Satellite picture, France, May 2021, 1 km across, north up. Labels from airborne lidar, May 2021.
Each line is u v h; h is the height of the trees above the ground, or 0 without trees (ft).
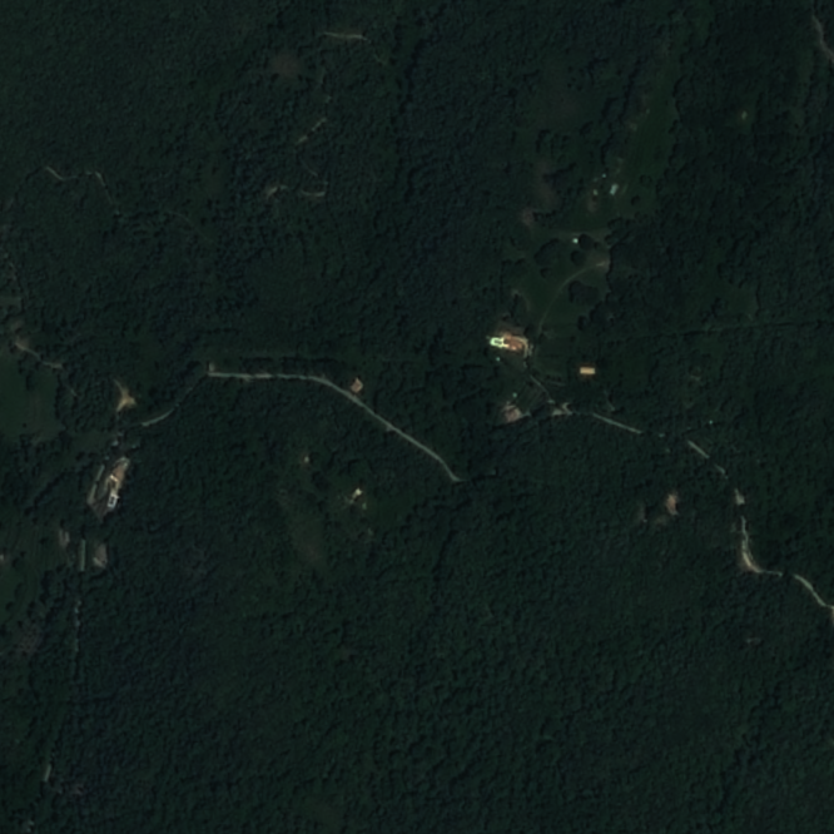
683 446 39
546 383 19
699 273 56
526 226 51
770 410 43
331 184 34
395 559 22
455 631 44
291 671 48
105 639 20
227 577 43
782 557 55
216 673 53
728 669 45
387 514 0
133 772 47
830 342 60
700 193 53
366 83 50
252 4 60
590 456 33
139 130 32
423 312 46
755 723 54
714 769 56
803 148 35
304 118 43
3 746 57
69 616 18
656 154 23
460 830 34
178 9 48
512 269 49
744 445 50
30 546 0
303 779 26
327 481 53
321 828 49
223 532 46
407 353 48
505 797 30
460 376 54
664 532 21
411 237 25
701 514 40
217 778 44
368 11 40
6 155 43
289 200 35
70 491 54
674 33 38
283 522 27
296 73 0
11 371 0
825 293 59
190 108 38
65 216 42
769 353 27
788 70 61
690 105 51
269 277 50
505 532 57
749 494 45
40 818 54
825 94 79
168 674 20
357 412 46
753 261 55
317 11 70
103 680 49
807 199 50
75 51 41
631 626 36
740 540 31
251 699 45
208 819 45
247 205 50
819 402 65
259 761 37
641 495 63
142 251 55
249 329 53
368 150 24
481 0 44
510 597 52
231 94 32
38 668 48
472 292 45
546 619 29
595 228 0
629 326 39
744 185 65
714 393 42
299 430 53
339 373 57
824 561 21
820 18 42
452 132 51
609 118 58
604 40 63
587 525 41
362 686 34
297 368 47
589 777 50
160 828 29
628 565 21
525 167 48
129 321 30
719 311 61
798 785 34
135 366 36
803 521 28
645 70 48
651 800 31
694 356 40
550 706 64
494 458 60
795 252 36
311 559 0
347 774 50
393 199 81
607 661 41
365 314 38
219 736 53
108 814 69
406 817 50
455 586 41
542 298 0
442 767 45
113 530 50
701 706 25
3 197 37
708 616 24
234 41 60
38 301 39
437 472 40
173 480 33
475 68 37
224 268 27
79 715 42
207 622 47
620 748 54
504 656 25
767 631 33
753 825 39
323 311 53
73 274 52
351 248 32
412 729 53
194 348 54
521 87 25
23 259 20
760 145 75
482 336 39
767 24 65
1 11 39
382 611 34
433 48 60
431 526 67
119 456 31
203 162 40
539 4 47
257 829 33
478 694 31
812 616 41
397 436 59
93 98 42
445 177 37
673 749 42
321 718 51
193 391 17
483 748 40
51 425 0
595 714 60
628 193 0
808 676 43
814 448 54
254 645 43
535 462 47
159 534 48
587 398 20
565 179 53
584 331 57
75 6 34
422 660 43
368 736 45
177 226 37
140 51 48
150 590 36
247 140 45
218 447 59
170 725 52
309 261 46
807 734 50
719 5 39
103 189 26
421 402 44
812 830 59
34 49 31
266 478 46
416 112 56
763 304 38
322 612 36
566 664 60
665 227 59
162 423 21
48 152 40
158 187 23
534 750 49
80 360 33
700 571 49
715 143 40
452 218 46
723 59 34
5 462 18
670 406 50
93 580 48
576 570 38
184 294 44
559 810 61
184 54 39
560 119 0
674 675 27
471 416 66
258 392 34
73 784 43
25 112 47
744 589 22
